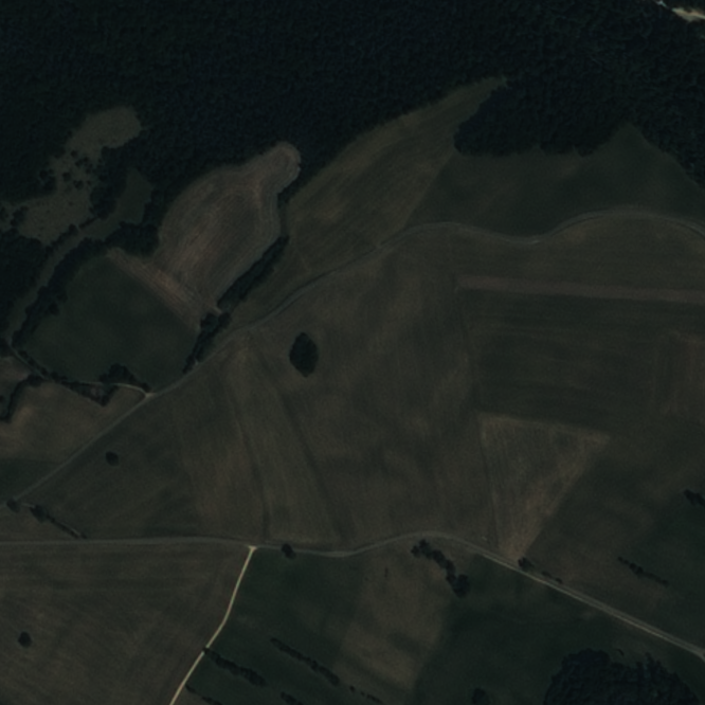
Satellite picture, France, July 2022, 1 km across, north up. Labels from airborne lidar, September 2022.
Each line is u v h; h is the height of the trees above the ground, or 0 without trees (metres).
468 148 19
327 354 0
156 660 0
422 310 0
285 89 12
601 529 0
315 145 26
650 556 0
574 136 18
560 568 0
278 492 0
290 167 0
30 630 0
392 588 0
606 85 25
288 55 20
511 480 0
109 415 0
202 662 0
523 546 0
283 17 20
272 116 23
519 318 0
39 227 0
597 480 0
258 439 0
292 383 0
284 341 0
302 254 0
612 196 0
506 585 0
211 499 0
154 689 0
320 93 25
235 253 0
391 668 0
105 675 0
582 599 0
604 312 0
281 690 0
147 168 12
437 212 0
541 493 0
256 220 0
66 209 0
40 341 0
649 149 0
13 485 0
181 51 22
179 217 0
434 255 0
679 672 0
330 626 0
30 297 0
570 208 0
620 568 0
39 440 0
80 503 0
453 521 0
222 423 0
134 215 0
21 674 0
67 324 0
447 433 0
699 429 0
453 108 0
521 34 24
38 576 0
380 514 0
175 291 0
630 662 0
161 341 0
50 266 0
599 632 0
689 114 39
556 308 0
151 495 0
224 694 0
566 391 0
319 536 0
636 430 0
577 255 0
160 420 0
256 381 0
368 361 0
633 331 0
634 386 0
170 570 0
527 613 0
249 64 20
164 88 22
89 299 0
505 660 0
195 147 12
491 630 0
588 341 0
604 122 15
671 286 0
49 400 0
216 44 17
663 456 0
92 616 0
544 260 0
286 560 0
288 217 0
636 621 0
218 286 0
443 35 26
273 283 0
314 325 0
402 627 0
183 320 0
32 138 16
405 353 0
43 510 14
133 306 0
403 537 0
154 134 12
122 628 0
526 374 0
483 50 13
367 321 0
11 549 0
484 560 0
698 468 0
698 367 0
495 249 0
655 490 0
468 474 0
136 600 0
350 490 0
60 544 0
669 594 0
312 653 0
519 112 25
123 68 20
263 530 0
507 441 0
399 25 27
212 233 0
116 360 0
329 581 0
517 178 0
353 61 25
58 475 0
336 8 20
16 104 16
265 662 0
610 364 0
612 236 0
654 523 0
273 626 0
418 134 0
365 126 20
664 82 37
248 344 0
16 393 8
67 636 0
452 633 0
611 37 39
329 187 0
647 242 0
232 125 21
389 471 0
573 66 16
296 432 0
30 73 15
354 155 0
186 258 0
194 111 23
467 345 0
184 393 0
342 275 0
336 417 0
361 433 0
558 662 0
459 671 0
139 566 0
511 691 0
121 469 0
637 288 0
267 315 0
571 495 0
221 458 0
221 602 0
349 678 0
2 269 17
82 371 0
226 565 0
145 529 0
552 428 0
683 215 0
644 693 26
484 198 0
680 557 0
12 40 27
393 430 0
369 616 0
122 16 20
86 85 18
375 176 0
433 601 0
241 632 0
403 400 0
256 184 0
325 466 0
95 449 0
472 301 0
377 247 0
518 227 0
